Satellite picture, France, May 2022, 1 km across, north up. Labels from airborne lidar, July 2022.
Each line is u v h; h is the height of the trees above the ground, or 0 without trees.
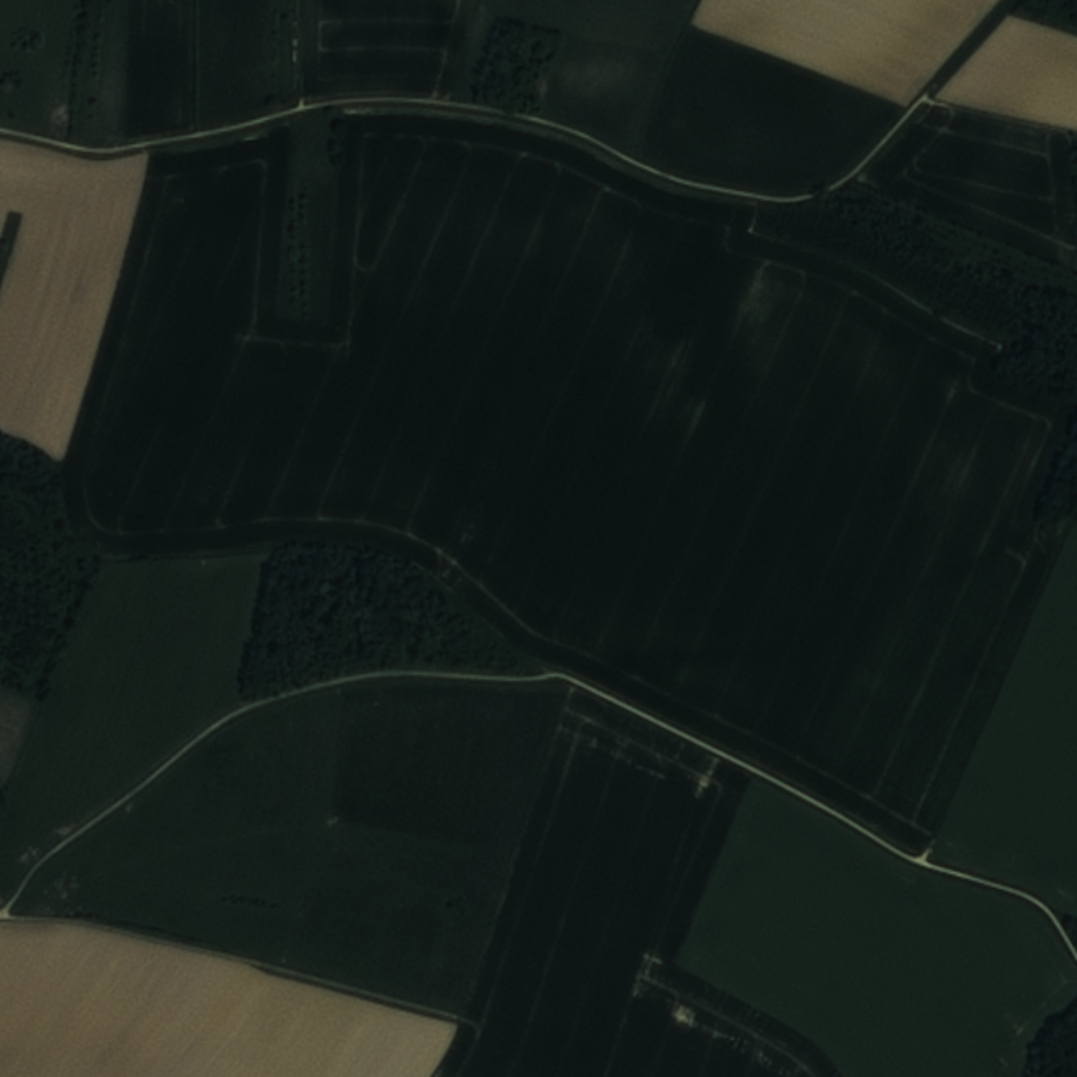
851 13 0
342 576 7
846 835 0
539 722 0
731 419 0
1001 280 17
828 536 0
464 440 0
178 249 0
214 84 0
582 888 0
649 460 0
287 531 0
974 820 0
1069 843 0
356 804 0
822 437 0
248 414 0
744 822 0
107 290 0
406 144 0
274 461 0
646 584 0
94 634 0
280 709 0
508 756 0
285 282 0
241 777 0
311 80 0
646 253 0
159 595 0
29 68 0
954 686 0
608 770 0
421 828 0
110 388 0
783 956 0
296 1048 0
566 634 0
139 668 0
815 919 0
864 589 0
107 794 0
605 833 0
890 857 0
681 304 0
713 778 0
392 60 0
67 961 0
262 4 0
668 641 0
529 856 0
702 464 0
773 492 0
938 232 9
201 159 0
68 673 0
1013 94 0
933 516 0
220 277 0
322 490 0
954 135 0
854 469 0
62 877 0
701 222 0
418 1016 0
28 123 0
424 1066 0
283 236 0
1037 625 0
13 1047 0
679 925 0
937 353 0
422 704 0
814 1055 0
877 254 8
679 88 0
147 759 0
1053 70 0
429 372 0
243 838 0
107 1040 0
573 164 0
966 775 0
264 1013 0
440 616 13
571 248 0
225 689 0
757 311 0
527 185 0
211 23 0
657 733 0
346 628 12
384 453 0
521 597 0
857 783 0
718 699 0
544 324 0
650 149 0
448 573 0
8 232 0
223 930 0
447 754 0
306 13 0
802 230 8
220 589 0
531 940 0
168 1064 0
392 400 0
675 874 0
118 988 0
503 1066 0
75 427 0
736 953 0
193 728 0
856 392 0
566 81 0
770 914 0
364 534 0
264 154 0
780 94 0
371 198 0
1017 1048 0
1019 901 0
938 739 0
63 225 0
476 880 0
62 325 0
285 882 0
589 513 0
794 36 0
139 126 0
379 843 0
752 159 0
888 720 0
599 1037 0
